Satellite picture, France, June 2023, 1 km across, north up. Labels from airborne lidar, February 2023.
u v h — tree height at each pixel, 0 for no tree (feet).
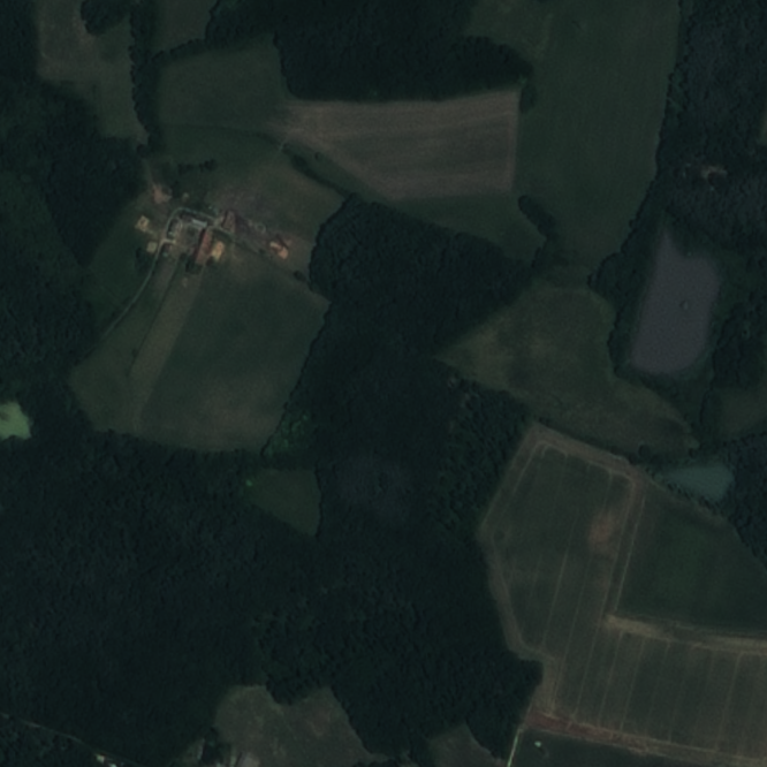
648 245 68
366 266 89
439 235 61
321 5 28
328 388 56
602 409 0
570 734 0
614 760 0
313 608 61
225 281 0
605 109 0
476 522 59
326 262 65
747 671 0
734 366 60
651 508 0
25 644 63
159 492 22
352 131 0
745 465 75
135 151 49
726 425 0
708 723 0
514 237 0
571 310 0
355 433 66
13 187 24
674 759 0
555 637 0
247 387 0
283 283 0
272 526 73
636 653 0
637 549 0
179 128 0
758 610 0
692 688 0
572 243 0
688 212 69
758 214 72
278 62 0
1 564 61
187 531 97
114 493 27
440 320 89
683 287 0
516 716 63
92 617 63
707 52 73
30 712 64
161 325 0
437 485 60
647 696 0
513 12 0
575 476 0
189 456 60
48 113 27
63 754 64
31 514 68
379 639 68
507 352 0
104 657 69
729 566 0
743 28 66
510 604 0
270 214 0
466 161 0
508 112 0
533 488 0
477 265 76
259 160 0
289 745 0
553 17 0
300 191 0
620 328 60
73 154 59
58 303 73
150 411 0
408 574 63
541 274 58
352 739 0
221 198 0
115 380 0
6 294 61
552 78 0
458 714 32
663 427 0
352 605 42
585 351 0
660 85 0
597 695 0
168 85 0
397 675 82
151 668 67
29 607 75
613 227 0
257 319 0
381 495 69
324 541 69
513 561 0
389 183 0
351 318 61
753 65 52
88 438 69
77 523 56
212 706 60
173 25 0
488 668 58
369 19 62
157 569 37
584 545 0
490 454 64
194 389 0
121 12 50
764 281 20
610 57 0
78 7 0
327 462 56
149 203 0
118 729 69
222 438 0
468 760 0
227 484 26
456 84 60
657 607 0
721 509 69
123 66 0
